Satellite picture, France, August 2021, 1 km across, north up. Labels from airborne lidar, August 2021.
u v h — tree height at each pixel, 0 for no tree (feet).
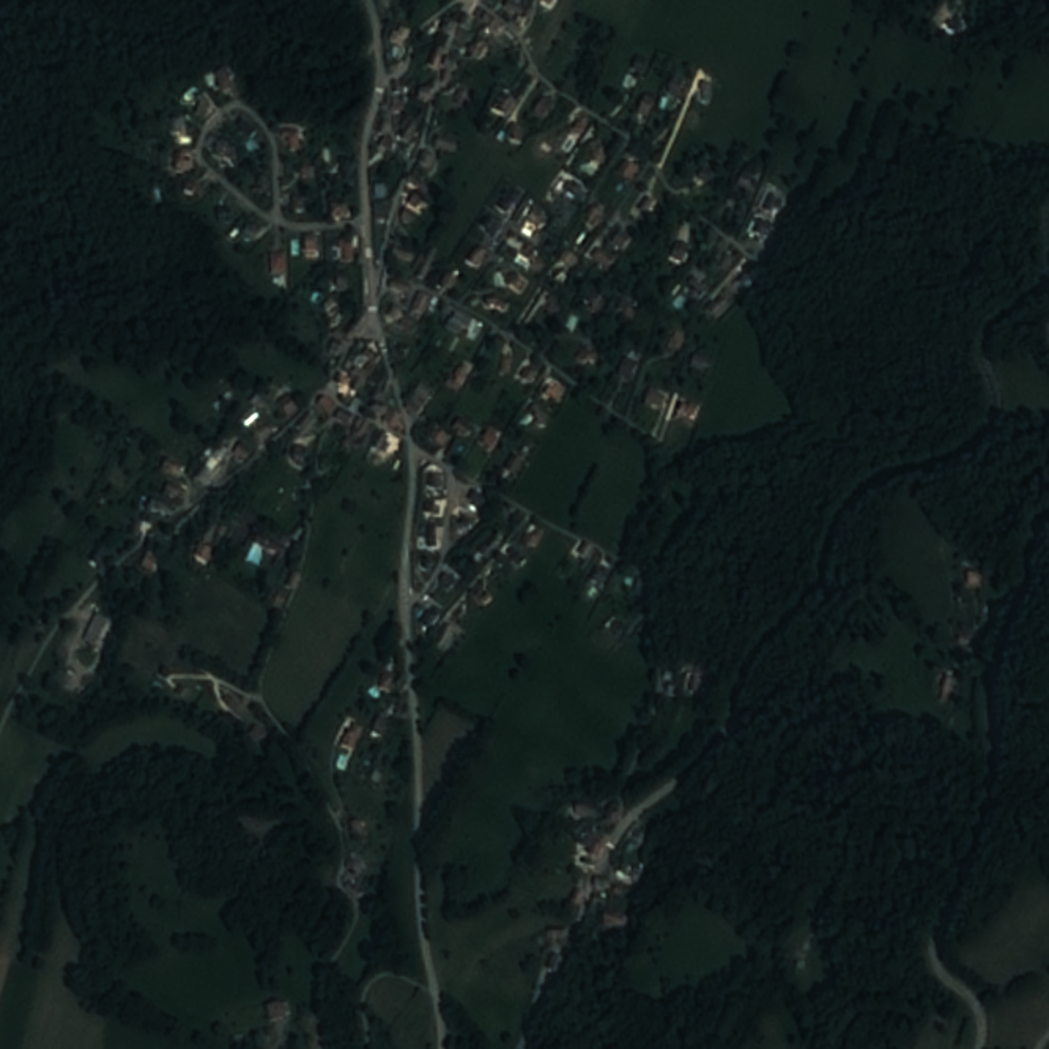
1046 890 0
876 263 87
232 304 91
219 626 0
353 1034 27
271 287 0
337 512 0
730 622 68
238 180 44
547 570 0
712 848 72
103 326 77
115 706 32
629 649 0
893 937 62
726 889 101
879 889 56
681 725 0
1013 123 0
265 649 37
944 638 31
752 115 0
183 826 47
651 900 65
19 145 73
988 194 68
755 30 0
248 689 49
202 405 0
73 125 79
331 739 0
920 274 60
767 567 87
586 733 0
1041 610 112
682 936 0
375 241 0
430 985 0
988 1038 0
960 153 62
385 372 0
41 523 0
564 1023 58
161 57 75
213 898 28
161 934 0
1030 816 98
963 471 96
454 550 23
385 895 56
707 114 0
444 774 0
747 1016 52
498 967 0
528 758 0
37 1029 0
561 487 0
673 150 0
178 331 90
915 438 77
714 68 0
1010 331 45
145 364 54
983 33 68
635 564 39
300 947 0
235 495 23
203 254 49
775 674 55
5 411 64
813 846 84
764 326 73
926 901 90
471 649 0
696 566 64
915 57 0
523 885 0
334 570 0
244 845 78
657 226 36
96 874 47
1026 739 77
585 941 72
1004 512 48
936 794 90
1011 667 53
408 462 0
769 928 32
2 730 0
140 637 0
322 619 0
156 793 72
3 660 0
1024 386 0
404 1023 0
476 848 0
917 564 0
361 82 39
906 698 0
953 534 56
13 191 50
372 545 0
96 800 53
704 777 81
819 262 84
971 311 71
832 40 0
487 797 0
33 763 0
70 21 47
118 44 57
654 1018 66
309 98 30
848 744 92
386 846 19
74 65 88
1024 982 46
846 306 70
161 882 0
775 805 57
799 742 46
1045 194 53
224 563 32
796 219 65
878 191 67
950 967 49
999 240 96
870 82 0
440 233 35
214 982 0
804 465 88
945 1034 48
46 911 57
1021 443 107
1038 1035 0
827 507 64
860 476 76
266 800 40
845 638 64
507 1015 0
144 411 0
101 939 52
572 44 0
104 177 70
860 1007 65
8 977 0
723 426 0
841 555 84
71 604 42
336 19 88
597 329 30
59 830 63
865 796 76
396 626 47
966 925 63
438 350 26
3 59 76
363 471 0
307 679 0
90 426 58
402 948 40
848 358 52
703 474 91
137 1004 70
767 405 0
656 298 32
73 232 53
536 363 35
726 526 74
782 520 65
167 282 45
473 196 0
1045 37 73
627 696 0
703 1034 66
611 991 63
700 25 0
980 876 83
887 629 48
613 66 0
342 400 20
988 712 0
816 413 80
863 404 54
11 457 72
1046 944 0
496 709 0
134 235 84
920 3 36
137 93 46
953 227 83
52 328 53
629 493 0
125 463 26
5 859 0
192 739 0
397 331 0
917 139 42
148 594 52
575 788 30
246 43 88
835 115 0
